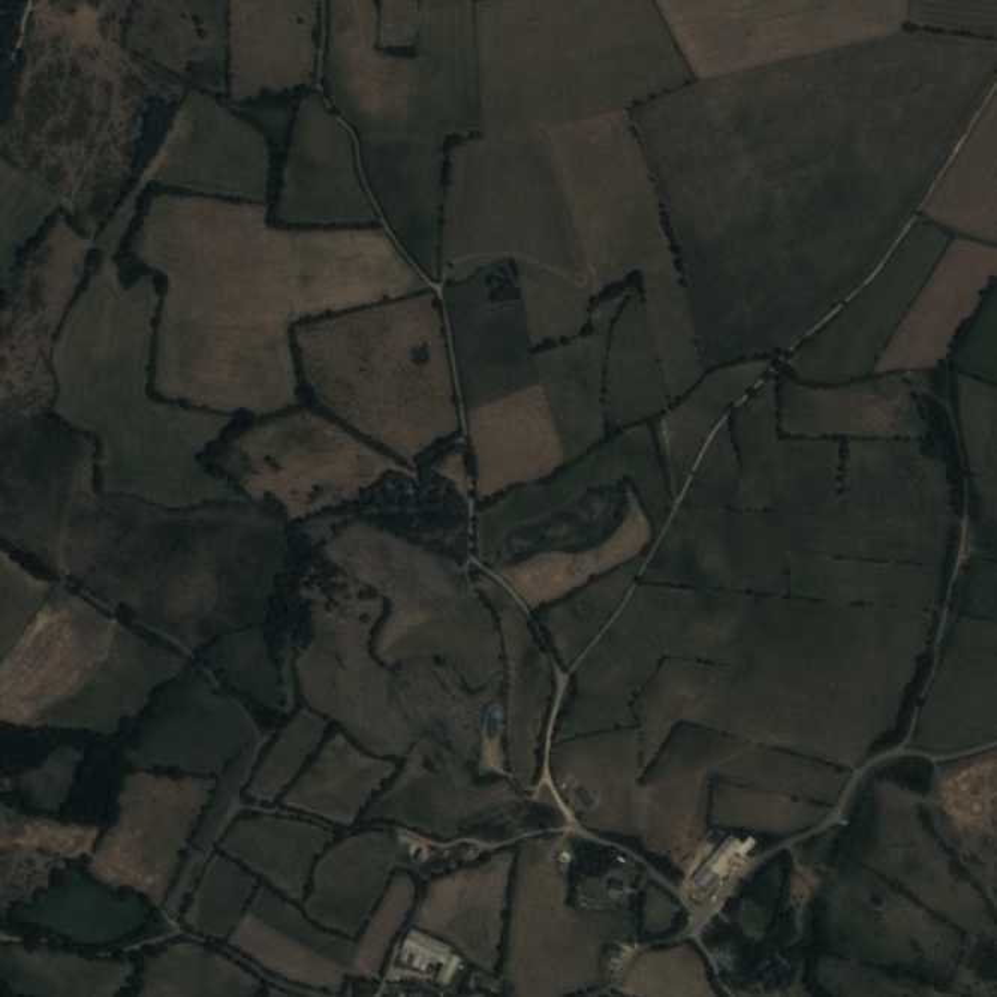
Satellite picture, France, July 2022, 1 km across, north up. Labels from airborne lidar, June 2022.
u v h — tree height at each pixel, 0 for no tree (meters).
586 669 0
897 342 0
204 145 0
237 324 0
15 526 0
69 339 0
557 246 0
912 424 0
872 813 0
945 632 0
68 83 0
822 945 7
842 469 9
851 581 0
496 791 0
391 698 0
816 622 0
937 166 0
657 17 0
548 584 0
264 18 0
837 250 0
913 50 0
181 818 0
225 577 0
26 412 0
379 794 11
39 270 0
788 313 0
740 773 0
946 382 0
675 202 0
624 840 8
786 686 0
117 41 0
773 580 0
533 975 0
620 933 0
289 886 0
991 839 0
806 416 0
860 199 0
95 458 8
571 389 0
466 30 0
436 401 0
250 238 0
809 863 0
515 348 0
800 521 0
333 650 0
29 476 0
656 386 0
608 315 0
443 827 0
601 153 0
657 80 0
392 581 0
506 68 0
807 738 0
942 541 0
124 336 0
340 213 0
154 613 0
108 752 15
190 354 0
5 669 0
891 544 0
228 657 0
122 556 0
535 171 0
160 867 0
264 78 0
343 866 0
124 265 13
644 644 0
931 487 0
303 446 0
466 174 0
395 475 14
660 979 0
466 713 0
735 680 0
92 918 0
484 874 0
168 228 0
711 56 0
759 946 7
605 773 0
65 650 0
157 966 0
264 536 0
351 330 0
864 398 0
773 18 0
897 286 0
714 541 0
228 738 0
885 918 0
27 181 0
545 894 0
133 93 0
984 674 0
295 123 7
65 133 0
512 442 0
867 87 0
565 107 0
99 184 0
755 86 0
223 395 0
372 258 0
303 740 0
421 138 0
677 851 0
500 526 0
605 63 0
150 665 0
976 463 0
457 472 0
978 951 0
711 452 0
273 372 0
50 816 13
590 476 0
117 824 14
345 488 0
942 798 0
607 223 0
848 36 0
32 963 0
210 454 10
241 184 0
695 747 0
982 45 0
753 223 0
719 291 0
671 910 0
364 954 0
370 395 0
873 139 0
